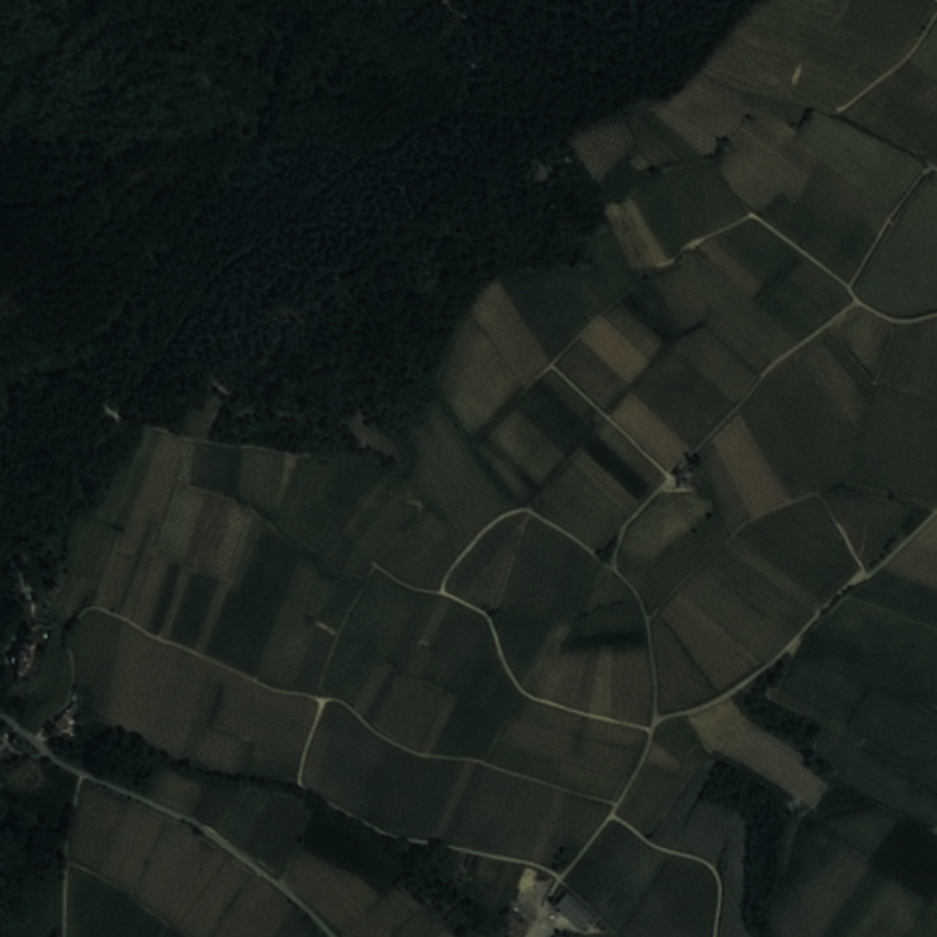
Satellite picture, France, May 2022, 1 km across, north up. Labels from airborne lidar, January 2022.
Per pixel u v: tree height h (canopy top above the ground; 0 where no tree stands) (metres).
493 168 17
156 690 0
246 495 0
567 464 0
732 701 0
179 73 15
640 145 0
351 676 0
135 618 0
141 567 0
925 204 0
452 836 0
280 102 13
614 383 0
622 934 0
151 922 0
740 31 0
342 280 15
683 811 0
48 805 0
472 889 0
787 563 0
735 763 0
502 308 0
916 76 0
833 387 0
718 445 0
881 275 0
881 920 0
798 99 0
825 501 0
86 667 0
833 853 0
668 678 0
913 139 0
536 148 11
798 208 0
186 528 0
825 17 0
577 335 0
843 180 0
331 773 0
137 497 0
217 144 20
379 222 17
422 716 0
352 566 0
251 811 0
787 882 0
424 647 0
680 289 0
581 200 9
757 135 0
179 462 0
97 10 22
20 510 12
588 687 0
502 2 22
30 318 12
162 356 15
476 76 15
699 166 0
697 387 0
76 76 22
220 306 14
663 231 0
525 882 0
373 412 10
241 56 7
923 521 0
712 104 0
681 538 0
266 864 0
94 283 19
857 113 0
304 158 25
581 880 0
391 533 0
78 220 19
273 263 23
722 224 0
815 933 0
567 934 9
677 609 0
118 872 0
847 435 0
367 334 18
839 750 0
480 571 0
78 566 0
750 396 0
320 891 0
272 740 0
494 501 0
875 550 0
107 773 19
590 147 0
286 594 0
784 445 0
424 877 11
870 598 0
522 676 0
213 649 0
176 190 15
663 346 0
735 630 0
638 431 0
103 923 0
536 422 0
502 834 0
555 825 0
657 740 0
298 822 0
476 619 0
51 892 0
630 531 0
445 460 0
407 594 0
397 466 11
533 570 0
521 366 0
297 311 14
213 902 0
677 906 0
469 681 0
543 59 18
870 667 0
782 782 0
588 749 0
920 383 0
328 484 0
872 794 0
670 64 15
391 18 11
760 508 0
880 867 0
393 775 0
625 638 0
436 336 15
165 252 22
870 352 0
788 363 0
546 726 0
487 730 0
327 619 0
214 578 0
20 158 17
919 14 0
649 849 0
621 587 0
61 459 16
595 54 19
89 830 0
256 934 0
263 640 0
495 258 10
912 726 0
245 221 25
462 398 0
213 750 0
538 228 6
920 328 0
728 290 0
